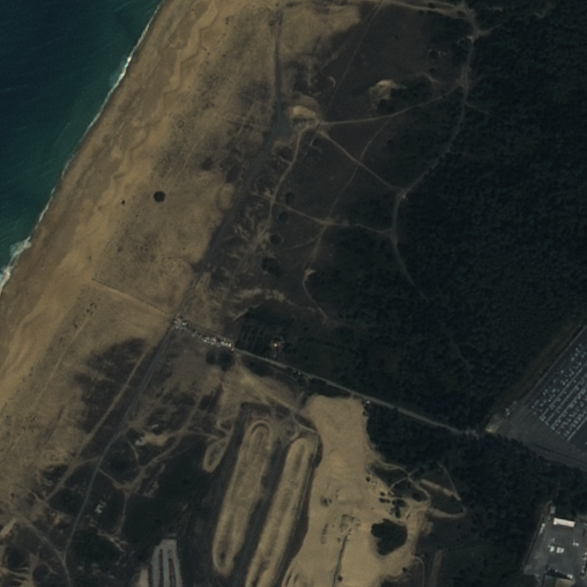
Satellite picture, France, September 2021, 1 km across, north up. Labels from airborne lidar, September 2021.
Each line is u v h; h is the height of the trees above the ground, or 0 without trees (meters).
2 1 0
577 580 0
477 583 9
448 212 8
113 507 0
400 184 0
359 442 0
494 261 14
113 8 0
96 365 0
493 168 7
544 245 23
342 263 0
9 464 0
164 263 0
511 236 22
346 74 0
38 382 0
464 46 7
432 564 0
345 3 0
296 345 0
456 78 0
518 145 15
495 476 12
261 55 0
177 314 0
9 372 0
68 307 0
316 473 0
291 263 0
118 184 0
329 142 0
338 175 0
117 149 0
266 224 0
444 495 0
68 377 0
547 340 16
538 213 20
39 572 0
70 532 0
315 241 0
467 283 17
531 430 0
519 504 21
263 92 0
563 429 0
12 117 0
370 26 0
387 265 0
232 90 0
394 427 14
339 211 0
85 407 0
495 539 9
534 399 0
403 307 10
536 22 8
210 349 0
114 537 0
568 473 13
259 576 0
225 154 0
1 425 0
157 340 0
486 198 16
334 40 0
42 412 0
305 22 0
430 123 0
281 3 0
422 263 7
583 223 19
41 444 0
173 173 0
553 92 16
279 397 0
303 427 0
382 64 0
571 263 19
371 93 0
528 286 19
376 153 0
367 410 6
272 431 0
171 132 0
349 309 8
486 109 12
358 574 0
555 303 16
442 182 6
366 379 6
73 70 0
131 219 0
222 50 0
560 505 13
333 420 0
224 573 0
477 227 17
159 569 0
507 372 19
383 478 0
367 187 0
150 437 0
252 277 0
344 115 0
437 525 0
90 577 0
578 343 0
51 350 0
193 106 0
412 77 0
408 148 0
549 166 14
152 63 0
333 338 0
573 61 19
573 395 0
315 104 0
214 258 0
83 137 0
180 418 0
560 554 0
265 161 0
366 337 0
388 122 0
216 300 0
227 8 0
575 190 19
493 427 0
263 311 0
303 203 0
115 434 0
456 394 7
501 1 13
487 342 18
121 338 0
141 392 0
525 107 17
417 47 0
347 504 0
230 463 0
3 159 0
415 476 7
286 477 0
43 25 0
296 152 0
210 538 0
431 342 17
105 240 0
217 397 0
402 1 0
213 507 0
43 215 0
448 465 9
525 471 19
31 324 0
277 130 0
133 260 0
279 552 0
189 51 0
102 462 0
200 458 0
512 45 15
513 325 19
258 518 0
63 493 0
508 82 7
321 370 0
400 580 0
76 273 0
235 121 0
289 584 0
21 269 0
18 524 0
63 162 0
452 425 10
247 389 0
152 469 0
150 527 0
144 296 0
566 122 10
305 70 0
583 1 17
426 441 8
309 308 0
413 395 8
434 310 11
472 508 9
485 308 15
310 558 0
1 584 0
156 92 0
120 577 0
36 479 0
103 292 0
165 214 0
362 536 0
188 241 0
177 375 0
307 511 0
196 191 0
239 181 0
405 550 0
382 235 0
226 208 0
